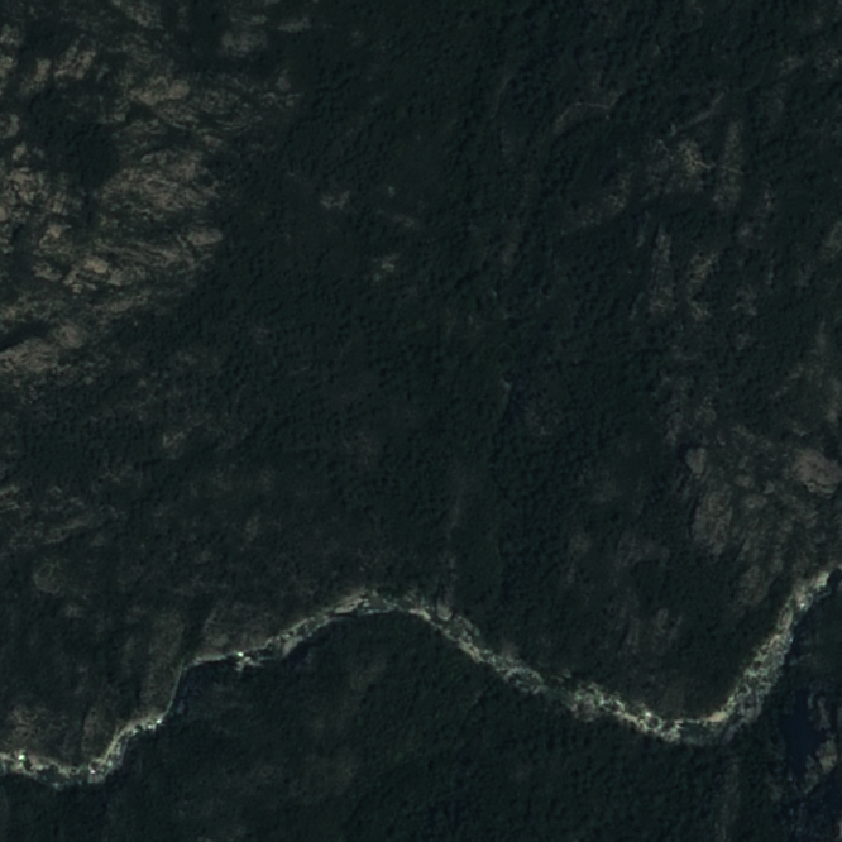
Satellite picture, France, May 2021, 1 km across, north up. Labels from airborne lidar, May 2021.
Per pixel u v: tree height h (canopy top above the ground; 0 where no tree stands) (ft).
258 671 40
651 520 49
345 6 19
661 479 46
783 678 21
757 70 52
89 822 36
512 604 58
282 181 21
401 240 58
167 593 28
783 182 49
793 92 21
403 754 22
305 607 21
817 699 33
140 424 41
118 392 51
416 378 43
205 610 35
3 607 18
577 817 24
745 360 44
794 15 36
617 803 77
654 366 80
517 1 90
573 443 74
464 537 30
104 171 58
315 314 51
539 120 26
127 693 72
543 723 29
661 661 20
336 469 64
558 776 20
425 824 27
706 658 52
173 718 31
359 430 43
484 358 25
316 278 39
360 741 27
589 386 73
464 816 50
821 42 45
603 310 47
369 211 40
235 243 31
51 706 20
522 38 27
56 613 40
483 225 79
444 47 46
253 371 59
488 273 75
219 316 39
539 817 65
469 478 29
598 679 35
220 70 27
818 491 29
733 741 19
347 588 69
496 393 23
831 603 20
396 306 44
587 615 22
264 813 19
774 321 57
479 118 74
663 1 49
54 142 49
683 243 33
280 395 61
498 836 46
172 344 43
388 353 29
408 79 29
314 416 49
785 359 45
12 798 26
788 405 35
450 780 27
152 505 47
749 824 27
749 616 41
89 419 47
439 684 58
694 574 64
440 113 31
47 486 42
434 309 19
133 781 18
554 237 18
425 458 55
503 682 49
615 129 18
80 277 45
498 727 43
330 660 32
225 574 34
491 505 19
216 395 54
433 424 44
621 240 20
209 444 18
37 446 45
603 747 24
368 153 48
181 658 33
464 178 25
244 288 20
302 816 29
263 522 24
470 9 18
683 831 22
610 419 66
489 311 73
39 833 20
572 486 63
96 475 44
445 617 0
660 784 32
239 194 18
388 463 51
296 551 50
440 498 47
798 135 44
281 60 40
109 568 22
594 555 21
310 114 21
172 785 29
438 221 32
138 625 19
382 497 68
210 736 22
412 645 20
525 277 19
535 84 68
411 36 31
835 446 39
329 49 21
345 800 34
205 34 19
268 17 28
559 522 61
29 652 22
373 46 41
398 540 73
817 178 51
